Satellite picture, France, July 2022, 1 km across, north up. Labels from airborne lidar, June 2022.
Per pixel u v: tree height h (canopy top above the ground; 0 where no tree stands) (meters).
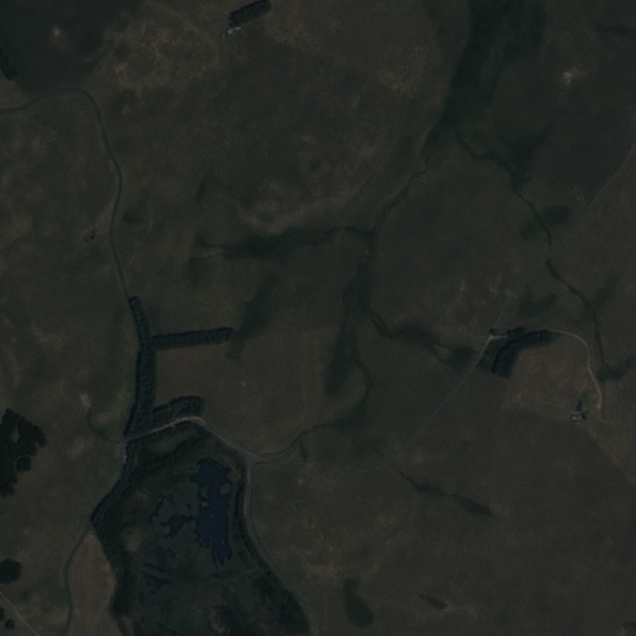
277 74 0
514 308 0
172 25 0
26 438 14
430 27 0
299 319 0
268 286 0
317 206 0
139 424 19
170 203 0
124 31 0
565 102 0
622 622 0
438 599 0
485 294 0
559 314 0
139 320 12
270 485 0
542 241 0
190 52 0
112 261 0
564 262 0
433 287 0
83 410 0
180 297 0
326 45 0
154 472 7
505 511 0
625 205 0
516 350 18
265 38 0
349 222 0
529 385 0
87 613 0
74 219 0
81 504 0
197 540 0
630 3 0
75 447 0
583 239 0
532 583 0
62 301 0
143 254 0
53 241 0
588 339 0
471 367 0
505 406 0
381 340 0
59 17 0
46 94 0
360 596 0
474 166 0
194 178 0
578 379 0
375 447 0
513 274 0
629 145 0
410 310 0
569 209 0
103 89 0
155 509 0
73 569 0
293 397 0
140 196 0
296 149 0
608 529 0
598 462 0
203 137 0
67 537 0
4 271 0
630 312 0
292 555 0
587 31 0
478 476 0
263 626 0
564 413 0
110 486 0
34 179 0
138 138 0
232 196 0
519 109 0
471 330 0
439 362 0
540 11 0
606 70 0
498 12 0
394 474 0
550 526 0
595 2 0
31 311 0
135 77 0
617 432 0
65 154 0
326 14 0
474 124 0
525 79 0
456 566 0
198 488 0
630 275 0
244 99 0
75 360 0
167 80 0
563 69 0
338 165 0
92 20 0
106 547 9
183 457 9
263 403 0
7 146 0
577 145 0
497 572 0
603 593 0
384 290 0
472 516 0
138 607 0
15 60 0
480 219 0
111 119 0
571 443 0
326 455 0
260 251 0
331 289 0
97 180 0
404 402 0
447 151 0
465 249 0
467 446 0
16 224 0
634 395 0
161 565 0
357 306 0
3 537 0
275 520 0
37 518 0
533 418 0
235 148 0
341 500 0
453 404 0
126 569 6
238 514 12
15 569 12
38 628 0
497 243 0
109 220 0
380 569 0
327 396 0
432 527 0
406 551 0
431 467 0
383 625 0
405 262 0
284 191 0
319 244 0
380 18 0
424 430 0
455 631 0
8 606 0
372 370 0
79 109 0
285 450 0
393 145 0
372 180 0
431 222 0
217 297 0
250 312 0
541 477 0
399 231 0
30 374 0
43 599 0
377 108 0
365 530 0
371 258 0
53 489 0
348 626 0
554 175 0
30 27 0
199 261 0
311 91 0
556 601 0
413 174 0
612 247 0
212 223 0
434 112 0
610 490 0
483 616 0
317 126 0
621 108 0
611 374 0
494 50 0
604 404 0
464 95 0
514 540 0
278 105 0
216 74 0
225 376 0
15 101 0
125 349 0
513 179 0
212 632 0
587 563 0
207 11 0
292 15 0
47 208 0
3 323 0
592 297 0
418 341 0
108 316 0
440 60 0
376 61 0
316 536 0
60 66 0
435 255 0
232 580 0
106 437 0
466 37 0
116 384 0
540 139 0
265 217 0
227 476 0
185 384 0
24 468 9
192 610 0
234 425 0
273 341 0
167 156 0
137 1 0
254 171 0
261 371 0
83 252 0
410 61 0
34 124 0
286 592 8
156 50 0
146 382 20
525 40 0
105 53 0
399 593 0
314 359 0
